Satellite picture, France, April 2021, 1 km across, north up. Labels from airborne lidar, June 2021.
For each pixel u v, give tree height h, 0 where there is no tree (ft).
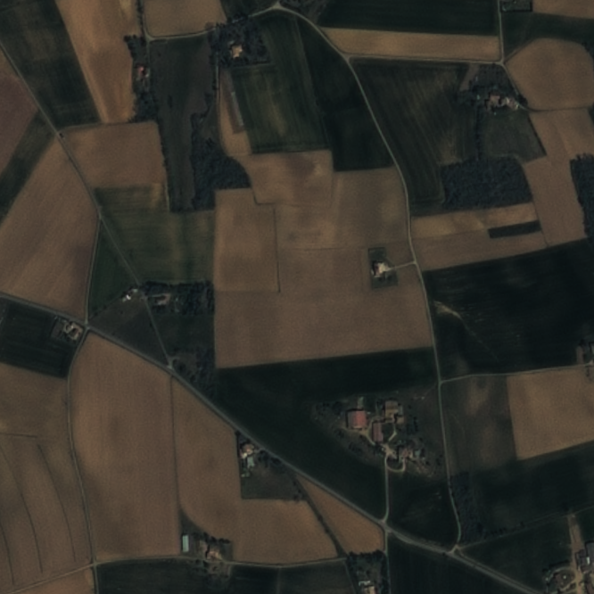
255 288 0
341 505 0
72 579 0
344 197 0
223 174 19
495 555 0
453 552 0
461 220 0
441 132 0
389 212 0
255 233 0
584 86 0
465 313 0
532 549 0
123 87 0
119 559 0
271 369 0
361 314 0
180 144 0
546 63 0
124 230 0
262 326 0
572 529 0
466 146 0
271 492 0
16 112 0
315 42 0
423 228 0
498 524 0
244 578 0
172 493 0
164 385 0
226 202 0
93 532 0
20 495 0
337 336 0
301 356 0
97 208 0
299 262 0
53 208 0
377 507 0
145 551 0
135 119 31
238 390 0
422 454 19
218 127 0
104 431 0
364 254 0
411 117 0
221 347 0
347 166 0
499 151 0
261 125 0
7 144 0
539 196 0
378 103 0
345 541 0
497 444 0
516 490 0
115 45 0
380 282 28
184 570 0
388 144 0
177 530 0
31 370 0
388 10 0
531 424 0
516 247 0
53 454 0
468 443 0
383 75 0
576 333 0
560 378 0
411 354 0
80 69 0
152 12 0
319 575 0
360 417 0
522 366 0
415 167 0
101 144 0
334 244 0
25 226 0
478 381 0
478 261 0
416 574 0
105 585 0
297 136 0
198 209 42
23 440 0
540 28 0
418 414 0
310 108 0
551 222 0
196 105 0
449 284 0
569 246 0
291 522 0
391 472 0
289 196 0
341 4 0
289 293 0
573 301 0
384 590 38
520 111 0
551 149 0
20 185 0
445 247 0
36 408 0
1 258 0
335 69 0
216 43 41
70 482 0
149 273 0
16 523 0
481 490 0
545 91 0
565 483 0
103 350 0
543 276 0
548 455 0
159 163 0
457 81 0
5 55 0
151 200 0
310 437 0
